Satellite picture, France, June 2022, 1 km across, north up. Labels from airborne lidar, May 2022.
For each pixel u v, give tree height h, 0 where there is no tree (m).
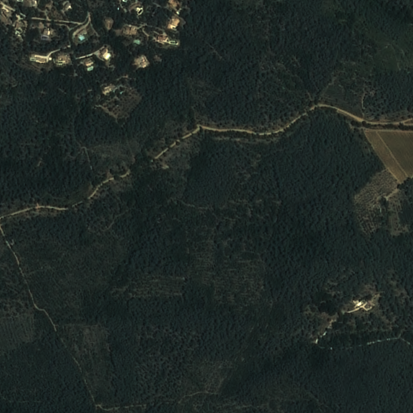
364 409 19
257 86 19
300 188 20
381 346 12
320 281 20
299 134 12
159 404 15
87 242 11
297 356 19
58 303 9
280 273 6
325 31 21
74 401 14
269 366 16
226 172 19
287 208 18
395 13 16
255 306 7
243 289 7
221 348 17
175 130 7
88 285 8
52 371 12
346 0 17
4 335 5
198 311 17
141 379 13
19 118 16
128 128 17
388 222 14
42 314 8
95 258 7
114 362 18
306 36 13
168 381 8
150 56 9
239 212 10
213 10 15
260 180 8
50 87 17
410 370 20
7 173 21
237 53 10
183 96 15
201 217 10
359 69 6
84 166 7
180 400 9
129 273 14
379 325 18
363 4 16
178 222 8
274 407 6
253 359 6
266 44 12
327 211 23
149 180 13
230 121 14
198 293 14
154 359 19
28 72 19
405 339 13
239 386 9
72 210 16
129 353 14
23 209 12
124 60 10
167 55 8
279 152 13
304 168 18
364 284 18
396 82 15
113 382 14
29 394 9
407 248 14
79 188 20
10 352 7
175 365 16
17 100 10
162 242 12
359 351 15
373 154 13
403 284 20
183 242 6
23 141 18
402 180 0
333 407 15
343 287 19
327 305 13
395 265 14
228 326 15
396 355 16
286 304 9
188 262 6
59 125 14
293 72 11
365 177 16
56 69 11
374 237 21
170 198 13
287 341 19
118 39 11
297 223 6
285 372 18
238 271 6
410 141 0
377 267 21
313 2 14
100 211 11
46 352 6
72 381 15
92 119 17
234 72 18
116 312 6
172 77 6
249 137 8
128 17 17
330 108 15
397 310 18
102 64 10
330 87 7
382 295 12
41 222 18
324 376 14
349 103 9
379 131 0
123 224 7
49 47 15
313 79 18
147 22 6
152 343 11
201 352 15
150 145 8
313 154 14
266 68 8
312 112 10
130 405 15
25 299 8
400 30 12
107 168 7
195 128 9
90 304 9
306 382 20
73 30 6
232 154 21
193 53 17
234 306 6
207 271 6
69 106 10
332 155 21
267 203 15
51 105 8
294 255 20
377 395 16
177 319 15
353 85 10
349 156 16
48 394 13
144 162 10
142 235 16
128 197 13
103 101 11
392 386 19
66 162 8
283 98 17
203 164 13
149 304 16
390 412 16
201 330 12
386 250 20
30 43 7
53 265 9
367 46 9
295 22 18
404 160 0
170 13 18
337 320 9
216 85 11
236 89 20
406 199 6
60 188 17
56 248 8
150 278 5
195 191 16
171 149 11
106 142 19
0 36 17
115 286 8
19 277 8
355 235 18
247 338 14
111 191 15
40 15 7
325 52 19
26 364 7
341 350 17
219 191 18
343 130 16
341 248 21
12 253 6
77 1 7
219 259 9
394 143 0
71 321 16
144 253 18
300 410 8
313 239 15
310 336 22
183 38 7
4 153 20
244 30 17
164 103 17
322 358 14
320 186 22
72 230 20
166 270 19
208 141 14
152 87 17
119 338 15
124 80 12
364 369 16
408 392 20
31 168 17
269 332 7
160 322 15
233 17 19
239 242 7
